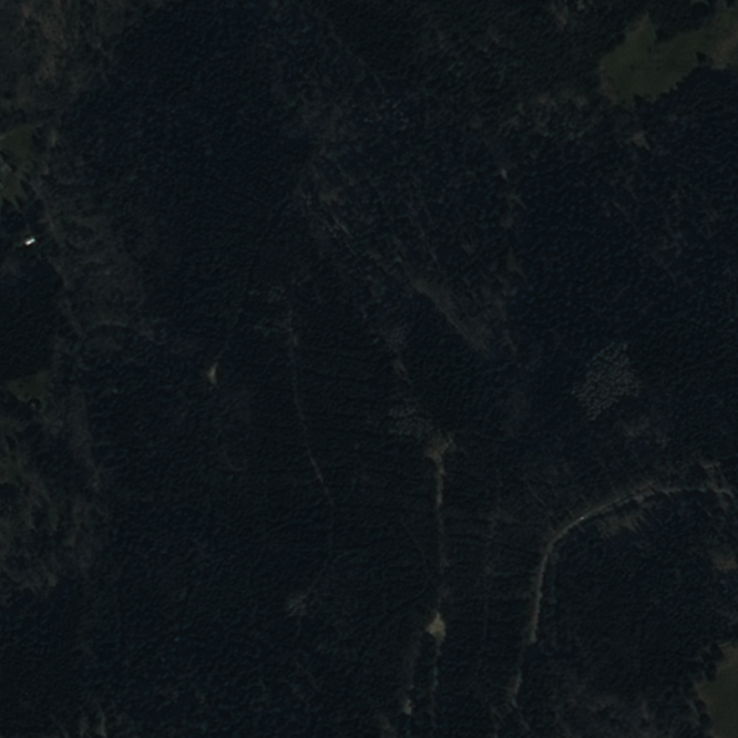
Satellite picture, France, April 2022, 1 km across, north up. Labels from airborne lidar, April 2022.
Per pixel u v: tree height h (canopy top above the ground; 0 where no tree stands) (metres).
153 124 22
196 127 22
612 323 20
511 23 20
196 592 22
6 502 20
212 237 21
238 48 26
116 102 18
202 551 22
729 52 0
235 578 25
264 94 19
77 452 19
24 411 27
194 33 21
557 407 20
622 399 12
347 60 36
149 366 12
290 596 16
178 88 18
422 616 22
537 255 30
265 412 21
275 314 22
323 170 22
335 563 24
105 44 22
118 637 20
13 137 0
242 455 20
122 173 17
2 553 25
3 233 26
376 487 15
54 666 29
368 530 12
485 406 27
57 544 16
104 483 17
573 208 19
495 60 25
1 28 14
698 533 28
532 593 14
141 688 22
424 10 22
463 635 19
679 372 18
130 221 16
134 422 21
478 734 21
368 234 39
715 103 24
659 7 24
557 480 17
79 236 16
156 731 33
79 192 15
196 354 11
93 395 15
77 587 31
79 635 32
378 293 22
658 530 25
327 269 15
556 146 28
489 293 39
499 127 32
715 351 18
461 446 17
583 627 13
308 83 40
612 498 15
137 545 21
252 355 21
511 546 16
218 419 21
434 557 19
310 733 19
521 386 21
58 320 29
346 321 22
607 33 34
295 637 23
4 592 26
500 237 38
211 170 24
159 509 21
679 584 23
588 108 19
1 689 15
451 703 25
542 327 23
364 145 24
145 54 16
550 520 14
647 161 19
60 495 25
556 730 18
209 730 21
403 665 20
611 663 18
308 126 22
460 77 26
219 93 24
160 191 17
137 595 23
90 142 16
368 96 35
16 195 0
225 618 14
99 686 32
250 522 23
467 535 17
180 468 21
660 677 18
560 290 20
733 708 0
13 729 23
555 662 11
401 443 11
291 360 20
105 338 15
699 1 0
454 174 41
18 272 22
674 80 0
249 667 27
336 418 18
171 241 18
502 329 21
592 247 16
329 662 21
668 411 21
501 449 16
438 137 35
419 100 35
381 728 11
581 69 24
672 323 23
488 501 14
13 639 26
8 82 26
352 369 20
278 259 19
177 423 23
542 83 19
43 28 19
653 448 23
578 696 9
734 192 29
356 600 22
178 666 8
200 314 23
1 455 29
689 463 10
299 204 17
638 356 24
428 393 23
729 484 11
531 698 18
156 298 18
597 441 19
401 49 24
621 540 0
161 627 23
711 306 18
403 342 21
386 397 16
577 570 21
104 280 10
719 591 24
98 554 19
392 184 41
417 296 22
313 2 22
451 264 37
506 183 30
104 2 31
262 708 22
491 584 17
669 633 23
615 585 21
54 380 30
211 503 21
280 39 24
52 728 19
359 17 22
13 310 32
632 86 0
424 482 19
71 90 18
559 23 19
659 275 28
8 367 26
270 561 23
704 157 23
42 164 11
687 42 0
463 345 28
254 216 16
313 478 16
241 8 15
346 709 19
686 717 9
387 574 22
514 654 14
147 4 22
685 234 27
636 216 23
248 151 23
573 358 9
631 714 19
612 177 19
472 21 19
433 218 31
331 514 22
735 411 27
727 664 0
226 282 22
